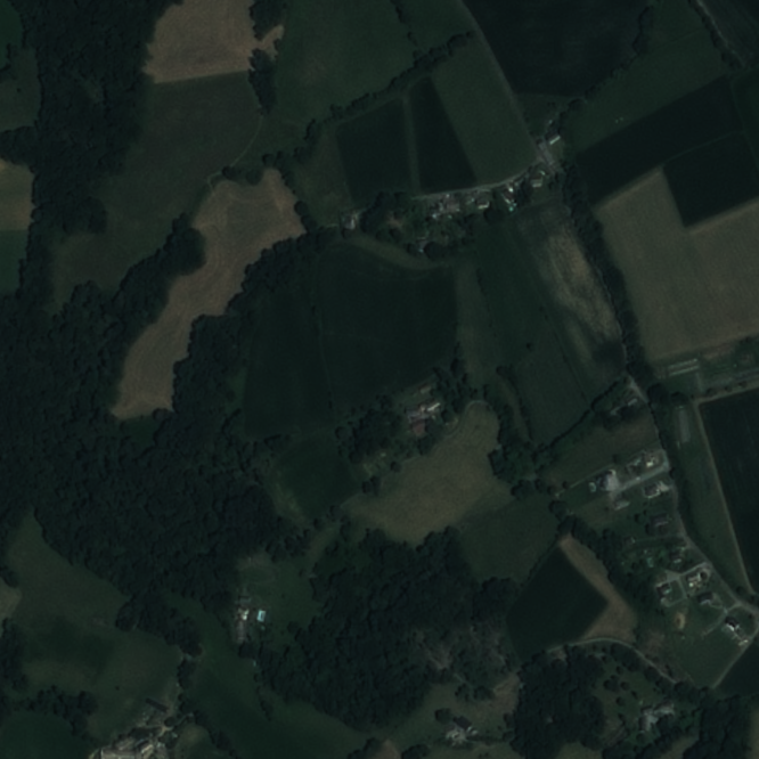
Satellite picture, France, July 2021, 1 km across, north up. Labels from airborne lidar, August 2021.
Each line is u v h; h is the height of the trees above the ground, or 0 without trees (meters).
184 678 17
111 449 26
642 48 18
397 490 0
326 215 0
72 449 30
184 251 32
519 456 27
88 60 40
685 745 0
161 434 15
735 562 0
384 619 33
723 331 0
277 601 0
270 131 0
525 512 0
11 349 17
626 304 19
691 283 0
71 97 26
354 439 9
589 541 20
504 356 0
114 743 7
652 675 21
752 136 0
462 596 24
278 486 0
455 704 0
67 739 0
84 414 27
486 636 12
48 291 22
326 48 0
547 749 23
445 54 17
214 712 0
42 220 22
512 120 0
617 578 24
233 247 0
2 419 18
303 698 20
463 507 0
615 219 0
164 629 20
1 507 14
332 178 0
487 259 0
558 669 24
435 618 32
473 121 0
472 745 7
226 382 22
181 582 27
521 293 0
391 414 13
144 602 19
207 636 0
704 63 0
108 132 29
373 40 0
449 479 0
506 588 21
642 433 0
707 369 0
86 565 7
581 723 17
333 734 0
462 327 13
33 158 26
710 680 0
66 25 28
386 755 0
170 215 0
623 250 0
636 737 9
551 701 29
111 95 30
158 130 0
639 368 25
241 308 24
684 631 0
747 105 0
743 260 0
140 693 0
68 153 27
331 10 0
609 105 0
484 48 0
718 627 0
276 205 0
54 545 13
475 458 0
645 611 6
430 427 19
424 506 0
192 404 31
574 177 18
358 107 15
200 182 0
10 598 0
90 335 12
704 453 0
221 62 0
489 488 0
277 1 25
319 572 9
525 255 0
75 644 0
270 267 29
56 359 26
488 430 0
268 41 0
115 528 13
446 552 23
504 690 0
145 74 15
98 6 31
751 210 0
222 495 25
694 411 0
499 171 0
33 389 30
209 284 0
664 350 0
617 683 16
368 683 24
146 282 33
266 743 0
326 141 0
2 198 0
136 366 0
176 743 8
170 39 0
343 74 0
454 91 0
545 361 0
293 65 0
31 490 21
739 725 28
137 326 29
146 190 0
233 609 9
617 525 0
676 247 0
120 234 0
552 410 0
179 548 25
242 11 0
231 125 0
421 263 0
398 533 0
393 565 31
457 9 0
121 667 0
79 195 33
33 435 23
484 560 0
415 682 28
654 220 0
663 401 23
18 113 0
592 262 8
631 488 0
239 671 0
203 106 0
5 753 0
